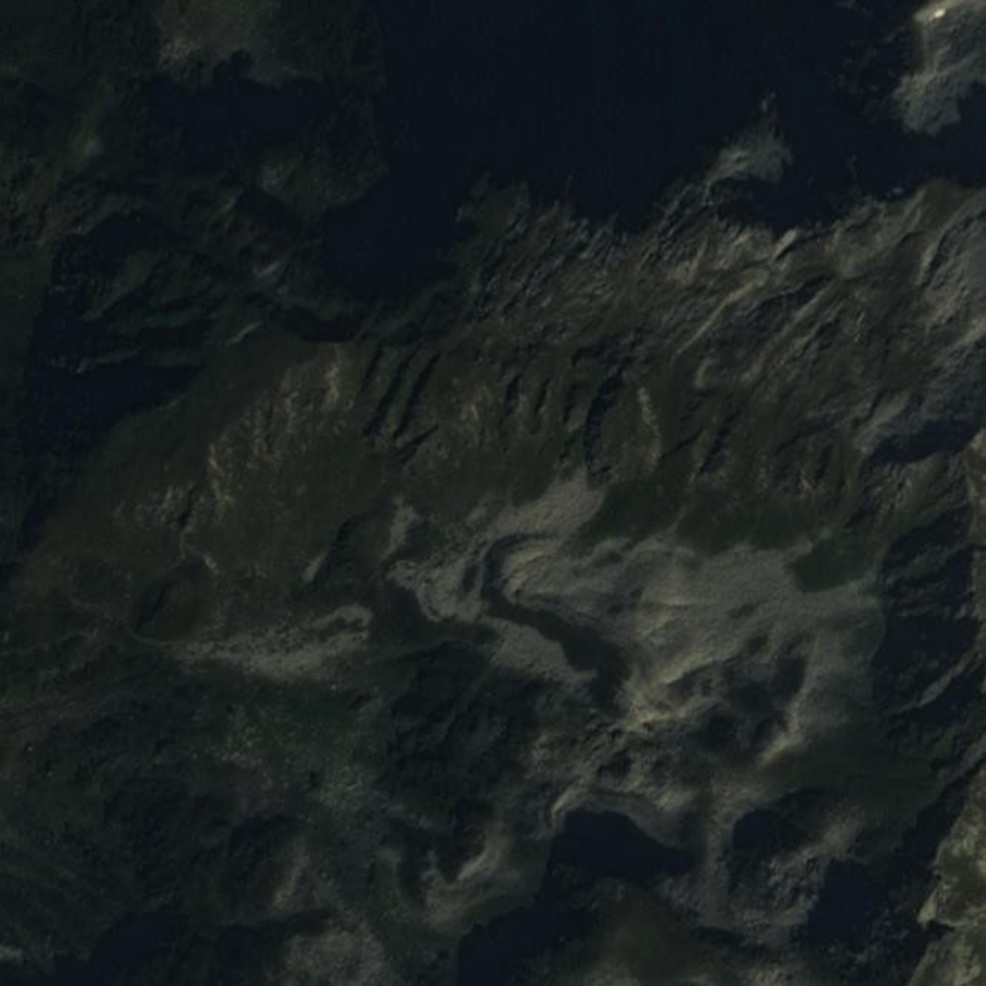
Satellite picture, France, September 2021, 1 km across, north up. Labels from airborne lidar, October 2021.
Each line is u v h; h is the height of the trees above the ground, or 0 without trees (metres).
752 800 0
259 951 0
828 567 0
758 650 0
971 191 0
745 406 0
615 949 0
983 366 0
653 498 0
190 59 0
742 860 0
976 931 0
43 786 0
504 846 0
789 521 0
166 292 0
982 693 0
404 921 0
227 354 0
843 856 0
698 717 0
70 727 0
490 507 0
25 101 0
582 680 0
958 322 0
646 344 0
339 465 0
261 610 0
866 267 0
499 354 0
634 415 0
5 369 0
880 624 0
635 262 0
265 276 0
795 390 0
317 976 0
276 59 0
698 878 0
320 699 0
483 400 0
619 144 0
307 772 0
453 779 0
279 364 0
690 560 0
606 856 0
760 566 0
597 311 0
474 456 0
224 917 0
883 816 0
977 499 0
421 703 0
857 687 0
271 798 0
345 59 0
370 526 0
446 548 0
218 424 0
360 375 0
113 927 0
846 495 0
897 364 0
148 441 0
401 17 0
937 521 0
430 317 0
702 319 0
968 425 0
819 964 0
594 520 0
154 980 0
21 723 0
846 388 0
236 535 0
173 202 0
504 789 0
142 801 0
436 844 0
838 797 0
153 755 0
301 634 0
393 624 0
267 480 0
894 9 0
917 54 0
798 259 0
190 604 0
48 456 6
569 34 0
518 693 0
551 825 0
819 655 0
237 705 0
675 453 0
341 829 0
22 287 0
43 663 0
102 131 0
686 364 0
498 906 0
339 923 0
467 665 0
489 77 0
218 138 7
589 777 0
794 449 0
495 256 0
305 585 0
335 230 0
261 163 0
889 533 0
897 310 0
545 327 0
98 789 0
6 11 0
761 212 0
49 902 0
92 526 0
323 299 0
